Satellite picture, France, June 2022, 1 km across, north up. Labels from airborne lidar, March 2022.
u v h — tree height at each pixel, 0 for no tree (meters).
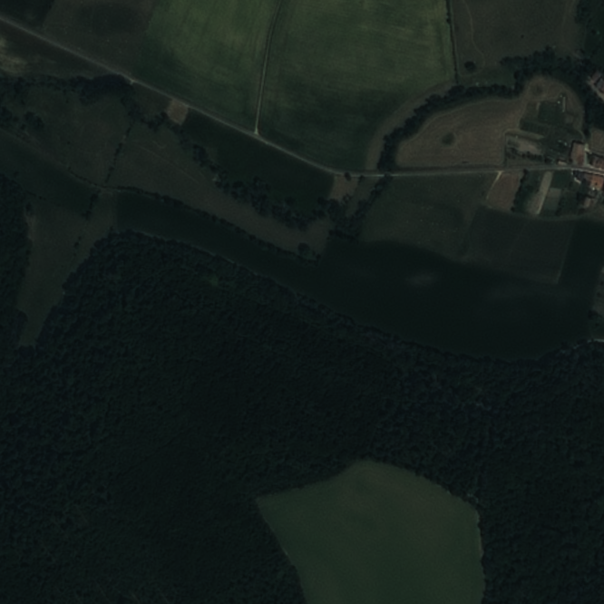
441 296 0
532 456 23
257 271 0
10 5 0
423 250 0
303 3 0
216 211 0
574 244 0
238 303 7
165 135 0
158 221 0
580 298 0
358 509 0
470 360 15
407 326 0
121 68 0
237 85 0
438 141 0
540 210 0
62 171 0
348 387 11
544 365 18
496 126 0
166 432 8
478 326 0
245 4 0
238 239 0
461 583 0
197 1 0
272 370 11
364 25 0
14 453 26
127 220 0
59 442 24
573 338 0
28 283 0
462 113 0
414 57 0
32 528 15
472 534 0
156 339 8
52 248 0
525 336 0
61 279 0
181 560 8
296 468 15
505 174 0
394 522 0
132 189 8
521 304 0
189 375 8
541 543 24
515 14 0
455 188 0
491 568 22
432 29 0
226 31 0
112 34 0
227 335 14
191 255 20
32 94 0
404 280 0
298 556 0
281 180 0
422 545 0
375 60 0
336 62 0
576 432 22
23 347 0
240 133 0
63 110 0
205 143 0
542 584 20
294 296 21
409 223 0
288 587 12
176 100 0
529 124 0
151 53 0
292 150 0
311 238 0
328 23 0
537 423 21
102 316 25
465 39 0
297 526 0
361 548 0
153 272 10
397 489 0
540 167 0
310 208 0
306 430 11
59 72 0
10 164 0
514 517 18
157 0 0
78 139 0
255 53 0
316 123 0
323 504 0
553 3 0
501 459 28
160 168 0
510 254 0
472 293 0
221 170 6
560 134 0
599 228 0
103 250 23
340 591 0
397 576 0
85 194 0
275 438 18
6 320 22
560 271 0
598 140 0
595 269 0
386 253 0
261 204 24
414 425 23
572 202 0
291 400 13
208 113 0
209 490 7
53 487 24
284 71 0
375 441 11
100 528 7
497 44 0
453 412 18
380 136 0
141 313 12
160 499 10
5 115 16
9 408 24
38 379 11
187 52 0
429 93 0
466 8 0
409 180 0
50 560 16
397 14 0
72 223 0
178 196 0
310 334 8
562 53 0
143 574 9
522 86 11
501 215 0
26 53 0
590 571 26
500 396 23
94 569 8
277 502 0
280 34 0
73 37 0
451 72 0
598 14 0
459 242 0
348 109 0
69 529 17
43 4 0
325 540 0
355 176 0
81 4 0
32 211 19
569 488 17
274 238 0
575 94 0
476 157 0
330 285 0
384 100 0
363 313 0
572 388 17
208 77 0
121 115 0
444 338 0
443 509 0
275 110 0
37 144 0
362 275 0
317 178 0
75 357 13
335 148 0
